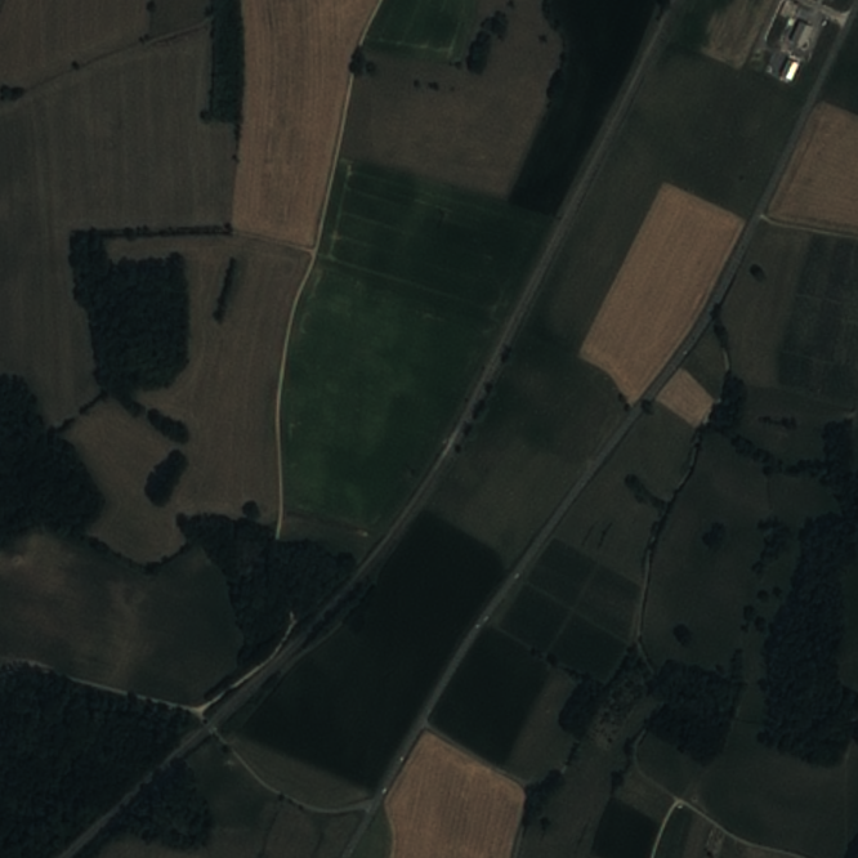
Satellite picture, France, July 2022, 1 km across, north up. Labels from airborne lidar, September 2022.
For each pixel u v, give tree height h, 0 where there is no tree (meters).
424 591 0
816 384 0
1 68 0
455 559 0
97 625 0
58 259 0
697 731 19
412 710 0
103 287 20
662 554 0
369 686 0
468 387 0
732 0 0
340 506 0
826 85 0
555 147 0
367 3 0
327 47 0
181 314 21
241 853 0
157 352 18
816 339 0
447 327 0
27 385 16
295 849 0
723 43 0
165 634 0
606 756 0
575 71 0
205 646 0
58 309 0
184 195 0
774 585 0
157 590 0
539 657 11
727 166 0
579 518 0
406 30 0
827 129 0
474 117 0
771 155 0
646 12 0
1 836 17
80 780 17
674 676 18
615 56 0
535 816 12
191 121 0
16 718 26
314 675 0
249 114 0
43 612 0
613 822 0
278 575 19
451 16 0
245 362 0
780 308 0
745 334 0
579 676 15
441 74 0
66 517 17
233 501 0
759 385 0
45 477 19
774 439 0
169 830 21
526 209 0
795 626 22
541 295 0
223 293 6
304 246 0
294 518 0
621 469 0
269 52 0
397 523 0
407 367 0
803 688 26
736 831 0
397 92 0
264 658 8
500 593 0
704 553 0
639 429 0
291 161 0
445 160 0
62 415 0
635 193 0
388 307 0
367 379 0
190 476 0
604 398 0
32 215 0
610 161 0
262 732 0
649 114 0
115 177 0
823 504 0
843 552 24
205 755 0
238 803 0
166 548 0
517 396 0
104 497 12
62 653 0
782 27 0
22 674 24
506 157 0
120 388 15
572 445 0
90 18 0
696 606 0
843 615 20
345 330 0
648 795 0
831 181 0
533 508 0
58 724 26
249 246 0
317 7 0
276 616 19
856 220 0
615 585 0
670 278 0
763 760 0
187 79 0
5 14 0
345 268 0
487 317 0
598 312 0
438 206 0
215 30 7
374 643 0
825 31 0
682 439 0
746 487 0
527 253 0
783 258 0
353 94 0
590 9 0
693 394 0
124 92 0
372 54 0
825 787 0
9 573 0
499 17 8
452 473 0
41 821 29
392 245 0
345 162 0
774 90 0
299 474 0
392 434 0
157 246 0
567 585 0
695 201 0
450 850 0
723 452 0
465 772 0
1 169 0
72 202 0
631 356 0
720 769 0
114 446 0
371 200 0
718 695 23
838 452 18
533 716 0
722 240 0
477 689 0
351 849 0
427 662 0
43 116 0
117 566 0
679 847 0
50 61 0
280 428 0
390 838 0
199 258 0
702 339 0
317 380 0
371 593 7
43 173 0
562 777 15
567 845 0
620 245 0
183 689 0
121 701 9
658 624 0
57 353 0
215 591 0
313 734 0
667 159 0
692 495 0
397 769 0
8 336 0
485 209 0
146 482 0
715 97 0
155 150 0
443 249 0
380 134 0
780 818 0
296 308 0
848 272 0
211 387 0
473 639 0
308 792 0
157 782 6
